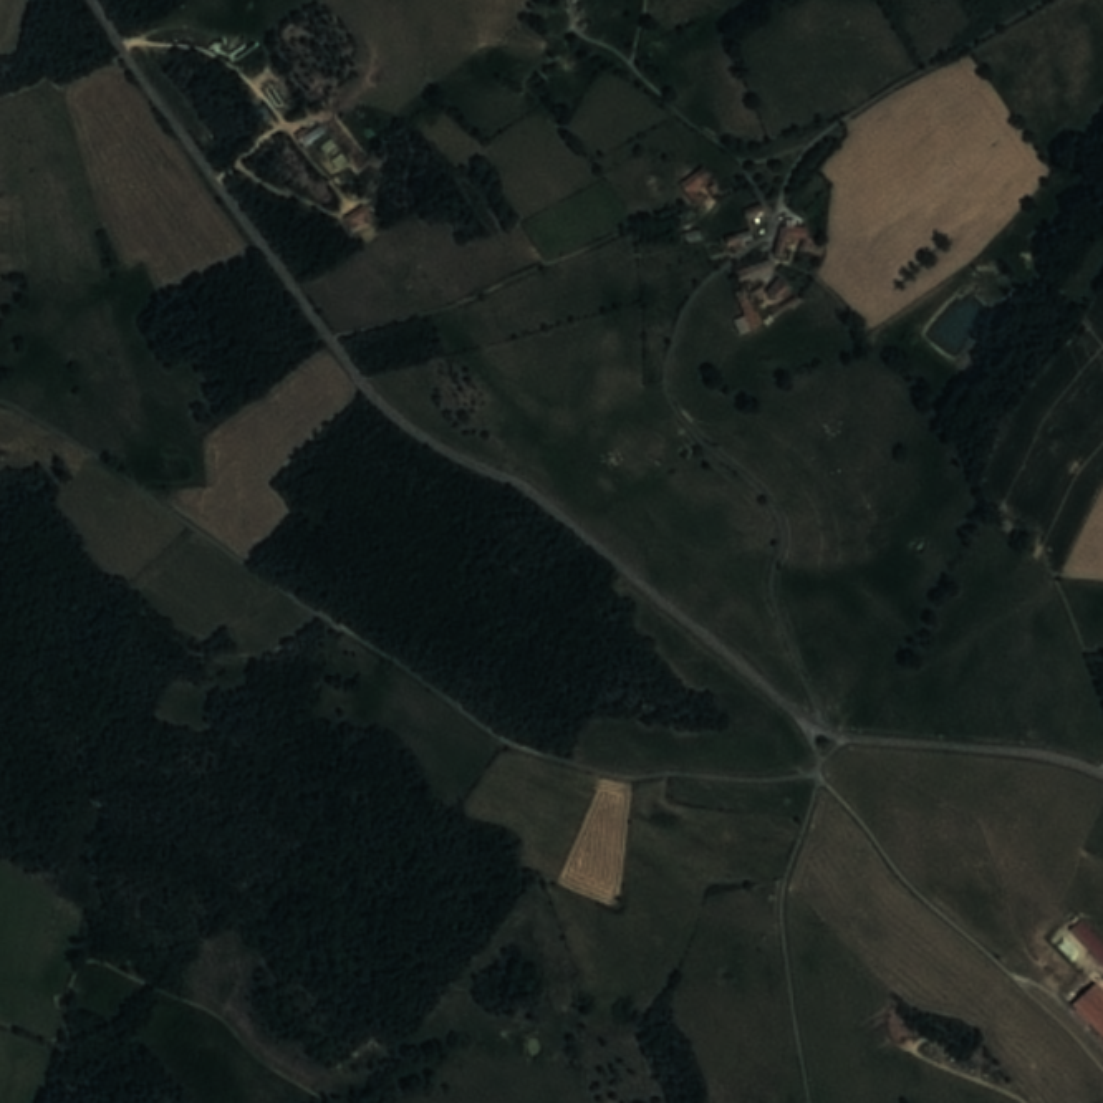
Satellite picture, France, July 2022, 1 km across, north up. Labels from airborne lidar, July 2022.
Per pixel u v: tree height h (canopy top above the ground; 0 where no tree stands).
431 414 0
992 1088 0
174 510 0
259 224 7
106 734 10
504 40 0
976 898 0
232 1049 0
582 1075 0
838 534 0
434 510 10
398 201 6
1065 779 0
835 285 0
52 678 13
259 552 12
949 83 0
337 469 8
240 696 8
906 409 0
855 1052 0
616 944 0
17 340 10
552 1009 0
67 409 0
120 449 0
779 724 0
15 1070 0
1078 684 0
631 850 0
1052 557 0
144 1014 12
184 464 0
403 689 0
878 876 0
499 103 0
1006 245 0
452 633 9
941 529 0
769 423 0
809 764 0
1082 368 0
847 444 0
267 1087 0
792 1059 0
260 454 0
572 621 11
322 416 0
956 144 0
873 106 0
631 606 13
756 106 10
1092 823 0
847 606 0
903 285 12
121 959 14
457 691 10
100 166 0
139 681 11
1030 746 0
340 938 14
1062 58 0
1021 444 0
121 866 14
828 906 0
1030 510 0
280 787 14
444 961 10
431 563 9
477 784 0
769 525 0
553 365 0
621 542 0
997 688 0
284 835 14
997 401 11
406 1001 15
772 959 0
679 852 0
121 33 8
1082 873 0
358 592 11
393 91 0
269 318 8
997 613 0
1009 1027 0
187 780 7
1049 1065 0
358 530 9
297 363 7
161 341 15
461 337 0
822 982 0
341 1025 8
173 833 13
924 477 0
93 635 14
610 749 0
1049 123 0
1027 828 0
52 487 10
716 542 0
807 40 0
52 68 12
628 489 0
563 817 0
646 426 0
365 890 15
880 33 0
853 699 0
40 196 0
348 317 0
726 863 0
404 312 0
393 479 8
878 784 0
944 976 0
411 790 9
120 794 13
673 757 0
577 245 0
